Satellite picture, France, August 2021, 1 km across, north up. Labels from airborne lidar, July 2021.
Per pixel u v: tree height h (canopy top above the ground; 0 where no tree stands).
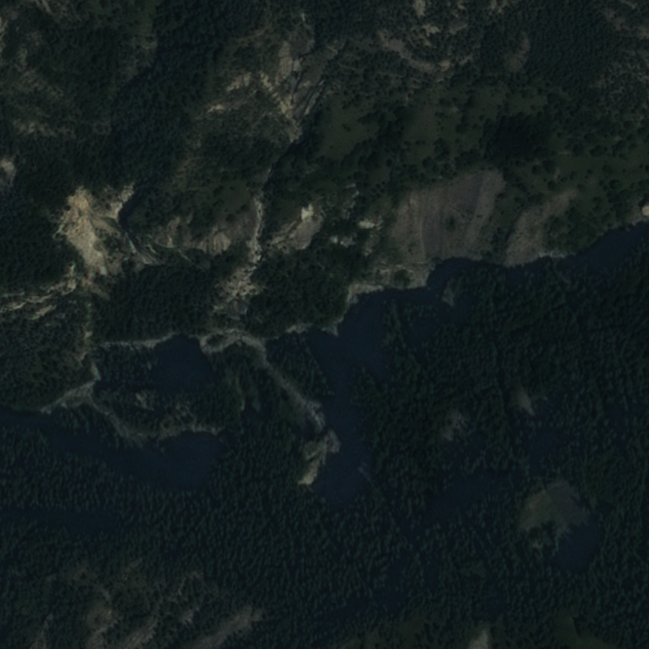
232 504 27
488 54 16
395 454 18
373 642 0
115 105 8
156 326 22
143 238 6
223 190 14
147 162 7
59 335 19
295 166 8
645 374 10
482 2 9
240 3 22
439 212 0
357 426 16
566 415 29
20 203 16
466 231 0
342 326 0
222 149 8
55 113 8
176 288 17
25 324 17
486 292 24
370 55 7
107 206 7
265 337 6
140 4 13
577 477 22
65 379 25
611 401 10
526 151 24
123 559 13
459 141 6
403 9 8
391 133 17
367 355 0
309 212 0
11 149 15
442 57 8
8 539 25
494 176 0
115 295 13
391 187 15
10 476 24
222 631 0
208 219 7
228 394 13
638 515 14
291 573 8
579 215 8
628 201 9
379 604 22
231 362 24
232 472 28
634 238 8
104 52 13
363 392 20
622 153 19
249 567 28
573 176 10
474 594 14
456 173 8
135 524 18
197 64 12
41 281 19
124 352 22
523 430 14
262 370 7
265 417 0
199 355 11
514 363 33
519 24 13
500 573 24
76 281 8
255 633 6
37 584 24
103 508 22
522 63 11
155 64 10
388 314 10
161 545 11
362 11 11
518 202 13
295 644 28
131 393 20
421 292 0
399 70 11
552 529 9
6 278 15
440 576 24
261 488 29
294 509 27
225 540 28
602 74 14
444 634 18
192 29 9
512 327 19
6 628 6
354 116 0
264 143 11
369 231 6
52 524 9
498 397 29
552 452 17
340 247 6
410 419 16
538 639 16
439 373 23
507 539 26
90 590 7
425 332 8
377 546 37
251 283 6
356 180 14
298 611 25
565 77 19
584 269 8
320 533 32
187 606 18
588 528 0
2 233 16
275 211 7
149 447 0
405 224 0
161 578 13
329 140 0
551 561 11
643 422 17
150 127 13
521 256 0
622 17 11
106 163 28
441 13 16
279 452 27
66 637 24
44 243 22
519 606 26
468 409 12
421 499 27
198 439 0
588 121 7
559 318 31
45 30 14
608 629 21
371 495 23
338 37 8
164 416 12
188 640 16
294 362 22
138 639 0
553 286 15
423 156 0
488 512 15
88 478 31
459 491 15
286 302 19
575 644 0
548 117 8
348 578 34
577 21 19
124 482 17
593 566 25
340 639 14
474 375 32
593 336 25
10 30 7
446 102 10
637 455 27
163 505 28
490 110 0
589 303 8
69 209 21
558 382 9
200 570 14
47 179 14
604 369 14
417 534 25
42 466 26
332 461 0
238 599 9
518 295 20
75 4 9
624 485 13
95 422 18
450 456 7
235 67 8
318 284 7
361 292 0
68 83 9
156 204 6
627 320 14
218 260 15
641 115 9
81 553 8
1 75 8
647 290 17
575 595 23
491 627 7
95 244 0
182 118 6
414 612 22
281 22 10
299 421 0
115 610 10
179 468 0
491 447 27
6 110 23
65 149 23
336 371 9
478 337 34
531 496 11
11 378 14
